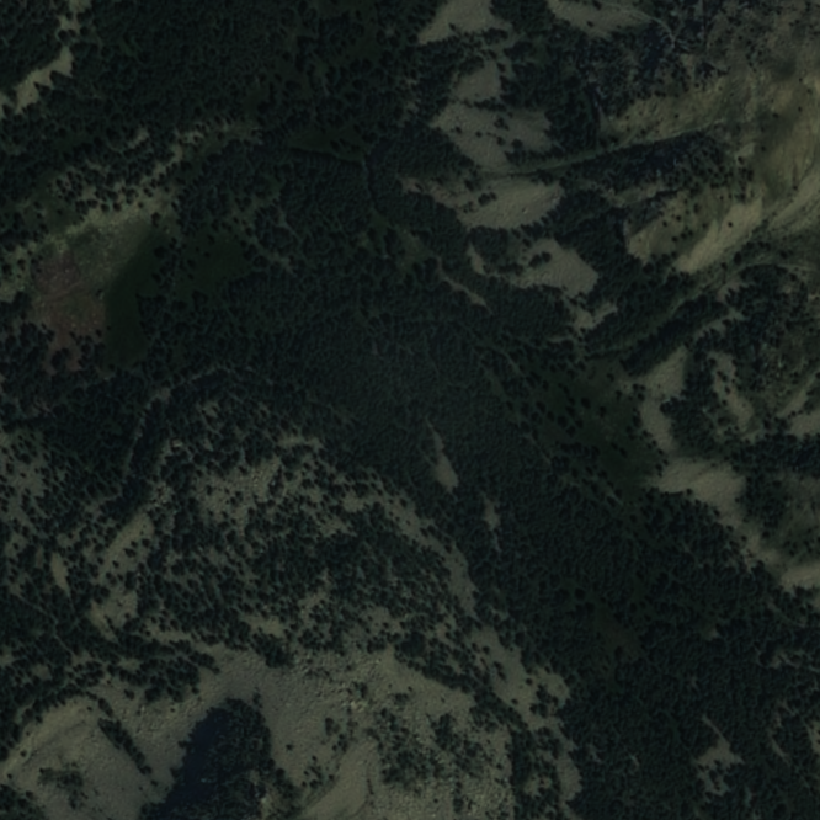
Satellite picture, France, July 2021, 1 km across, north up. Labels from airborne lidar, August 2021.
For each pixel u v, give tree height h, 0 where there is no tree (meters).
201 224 18
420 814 0
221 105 22
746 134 0
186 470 14
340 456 19
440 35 0
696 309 19
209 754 9
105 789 0
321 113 20
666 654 25
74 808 9
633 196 0
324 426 19
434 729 6
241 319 22
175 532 12
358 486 11
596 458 21
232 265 0
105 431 15
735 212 0
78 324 0
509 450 15
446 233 22
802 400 0
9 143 6
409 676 0
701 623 22
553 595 11
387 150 23
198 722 0
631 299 21
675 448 0
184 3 25
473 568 12
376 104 21
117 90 20
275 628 0
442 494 20
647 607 14
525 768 16
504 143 9
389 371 21
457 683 13
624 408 0
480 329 16
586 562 24
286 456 9
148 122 13
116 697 0
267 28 14
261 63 20
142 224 0
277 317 23
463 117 0
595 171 10
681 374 0
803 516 0
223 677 0
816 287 0
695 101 0
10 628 15
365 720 0
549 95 21
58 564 0
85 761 0
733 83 0
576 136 23
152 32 19
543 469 20
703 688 17
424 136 25
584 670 18
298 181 17
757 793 9
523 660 9
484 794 0
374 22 12
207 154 0
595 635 23
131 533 0
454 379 20
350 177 28
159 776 0
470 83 0
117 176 10
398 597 8
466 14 0
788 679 17
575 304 14
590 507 24
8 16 14
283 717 0
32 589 19
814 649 16
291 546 8
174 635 0
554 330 22
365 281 23
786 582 0
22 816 7
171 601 10
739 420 0
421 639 17
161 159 13
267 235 16
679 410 12
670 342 19
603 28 0
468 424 17
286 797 10
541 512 19
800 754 10
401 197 21
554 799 12
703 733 20
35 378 16
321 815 0
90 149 22
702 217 0
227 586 16
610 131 0
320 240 26
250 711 10
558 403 0
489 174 0
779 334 9
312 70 21
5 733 16
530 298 23
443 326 18
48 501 14
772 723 14
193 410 17
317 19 20
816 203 0
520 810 12
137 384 21
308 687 0
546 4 14
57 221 0
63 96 27
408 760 9
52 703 9
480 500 14
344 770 0
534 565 14
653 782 17
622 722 21
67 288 0
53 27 20
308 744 0
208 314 18
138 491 20
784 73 0
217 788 9
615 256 20
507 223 0
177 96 22
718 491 0
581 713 17
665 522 20
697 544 22
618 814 18
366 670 0
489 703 14
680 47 0
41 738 0
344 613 8
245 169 22
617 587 23
